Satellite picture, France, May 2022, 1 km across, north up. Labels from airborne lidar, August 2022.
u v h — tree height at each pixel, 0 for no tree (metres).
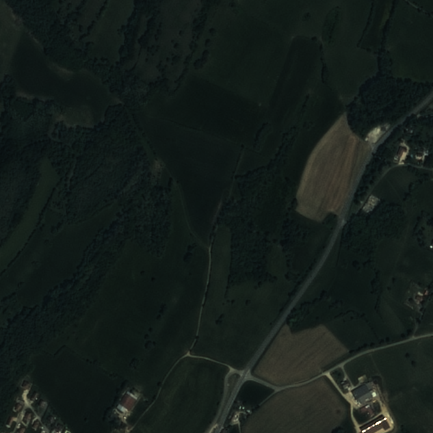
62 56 11
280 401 0
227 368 0
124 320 0
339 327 0
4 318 0
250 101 0
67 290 13
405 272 0
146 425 0
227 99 0
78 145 10
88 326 0
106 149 7
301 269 0
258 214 7
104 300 0
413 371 0
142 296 0
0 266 0
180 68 0
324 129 0
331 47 0
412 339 0
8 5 17
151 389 0
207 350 0
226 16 0
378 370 0
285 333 0
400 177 0
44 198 0
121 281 0
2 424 9
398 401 0
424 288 0
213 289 0
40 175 5
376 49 0
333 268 0
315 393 0
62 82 0
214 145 0
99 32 0
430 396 0
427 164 6
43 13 14
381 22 0
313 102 0
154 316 0
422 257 0
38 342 9
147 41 8
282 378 0
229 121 0
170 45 0
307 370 0
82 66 15
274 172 15
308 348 0
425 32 0
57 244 0
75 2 0
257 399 0
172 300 0
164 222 24
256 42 0
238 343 0
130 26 15
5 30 0
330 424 0
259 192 6
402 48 0
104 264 8
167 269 0
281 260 0
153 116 0
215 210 0
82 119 0
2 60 0
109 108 7
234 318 0
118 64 13
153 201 25
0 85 9
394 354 0
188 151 0
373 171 12
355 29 0
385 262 0
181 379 0
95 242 14
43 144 7
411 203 0
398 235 6
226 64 0
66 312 9
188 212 0
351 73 0
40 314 8
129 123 11
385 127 0
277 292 0
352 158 0
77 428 0
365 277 0
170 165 0
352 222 11
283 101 0
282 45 0
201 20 11
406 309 0
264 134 12
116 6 0
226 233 0
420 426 0
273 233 6
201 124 0
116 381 0
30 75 0
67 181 7
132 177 22
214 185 0
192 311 0
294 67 0
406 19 0
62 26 11
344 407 0
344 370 0
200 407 0
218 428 0
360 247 9
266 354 0
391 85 27
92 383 0
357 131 15
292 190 0
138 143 12
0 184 8
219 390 0
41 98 0
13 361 8
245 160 0
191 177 0
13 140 16
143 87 17
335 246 0
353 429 0
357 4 0
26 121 20
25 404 0
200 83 0
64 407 0
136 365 10
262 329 0
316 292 0
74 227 0
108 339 0
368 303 0
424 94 12
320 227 0
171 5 0
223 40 0
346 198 0
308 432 0
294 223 8
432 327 0
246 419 10
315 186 0
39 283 0
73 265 0
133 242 15
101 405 0
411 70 0
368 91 29
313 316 0
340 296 0
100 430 0
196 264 0
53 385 0
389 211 14
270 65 0
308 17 8
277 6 0
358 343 0
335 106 0
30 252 0
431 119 15
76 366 0
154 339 0
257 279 12
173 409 0
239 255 14
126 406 0
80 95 0
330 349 0
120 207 10
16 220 10
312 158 0
